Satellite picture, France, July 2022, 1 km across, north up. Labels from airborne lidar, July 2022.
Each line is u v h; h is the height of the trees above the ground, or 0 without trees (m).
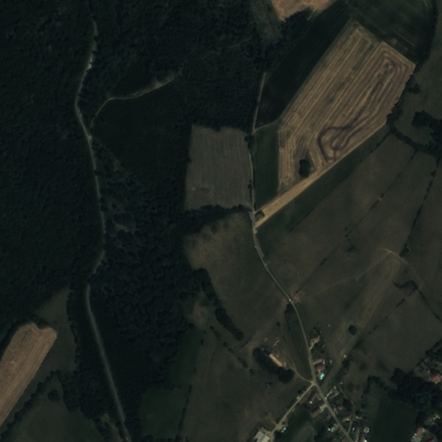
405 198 0
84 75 0
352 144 0
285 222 0
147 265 24
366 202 0
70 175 27
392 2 0
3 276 26
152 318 29
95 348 10
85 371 24
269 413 0
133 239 26
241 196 0
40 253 23
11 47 29
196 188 0
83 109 24
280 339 0
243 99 8
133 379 9
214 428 0
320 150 0
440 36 0
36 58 26
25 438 0
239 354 0
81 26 19
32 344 0
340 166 0
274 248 0
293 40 20
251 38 16
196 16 6
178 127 10
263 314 0
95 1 25
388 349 0
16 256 29
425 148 6
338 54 0
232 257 0
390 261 0
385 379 0
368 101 0
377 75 0
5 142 22
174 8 13
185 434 0
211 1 24
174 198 14
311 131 0
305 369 0
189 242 0
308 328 0
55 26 28
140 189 23
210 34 7
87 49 23
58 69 27
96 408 20
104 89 21
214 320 0
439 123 21
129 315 29
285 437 0
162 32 11
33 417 0
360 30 0
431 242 0
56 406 0
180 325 24
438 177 0
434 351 8
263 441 0
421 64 6
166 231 27
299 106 0
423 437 0
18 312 20
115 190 25
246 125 17
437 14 11
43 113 24
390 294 0
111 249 26
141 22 25
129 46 22
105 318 9
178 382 0
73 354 0
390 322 0
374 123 0
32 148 24
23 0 26
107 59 32
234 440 0
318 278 0
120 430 10
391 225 0
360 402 0
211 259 0
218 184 0
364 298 0
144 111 6
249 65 5
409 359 0
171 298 30
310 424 0
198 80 6
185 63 8
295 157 0
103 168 0
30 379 0
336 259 0
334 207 0
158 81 7
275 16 0
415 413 0
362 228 0
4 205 22
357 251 0
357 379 0
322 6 0
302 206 0
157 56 10
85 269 19
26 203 24
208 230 0
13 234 25
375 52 0
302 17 18
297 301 0
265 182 0
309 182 0
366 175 0
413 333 0
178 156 6
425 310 0
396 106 9
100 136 5
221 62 6
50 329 0
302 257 0
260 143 0
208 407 0
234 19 14
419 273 0
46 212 26
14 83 28
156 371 11
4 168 21
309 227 0
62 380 13
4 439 16
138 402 7
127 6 29
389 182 0
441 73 0
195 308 0
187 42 7
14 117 17
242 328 0
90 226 23
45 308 0
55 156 27
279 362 0
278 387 0
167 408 0
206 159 0
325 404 0
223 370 0
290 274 0
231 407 0
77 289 13
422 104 0
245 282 0
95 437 0
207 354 0
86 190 21
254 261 0
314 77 0
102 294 29
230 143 0
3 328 15
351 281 0
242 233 0
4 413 0
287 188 0
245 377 0
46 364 0
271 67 18
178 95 6
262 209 0
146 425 0
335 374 0
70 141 24
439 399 33
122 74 23
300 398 0
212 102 8
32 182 27
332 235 0
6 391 0
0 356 14
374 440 0
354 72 0
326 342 0
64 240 25
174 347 22
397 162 0
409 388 18
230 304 0
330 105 0
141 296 31
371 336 0
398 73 0
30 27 28
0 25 29
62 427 0
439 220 0
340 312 0
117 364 10
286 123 0
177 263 21
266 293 0
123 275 32
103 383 9
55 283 24
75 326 15
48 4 31
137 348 28
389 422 0
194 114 7
